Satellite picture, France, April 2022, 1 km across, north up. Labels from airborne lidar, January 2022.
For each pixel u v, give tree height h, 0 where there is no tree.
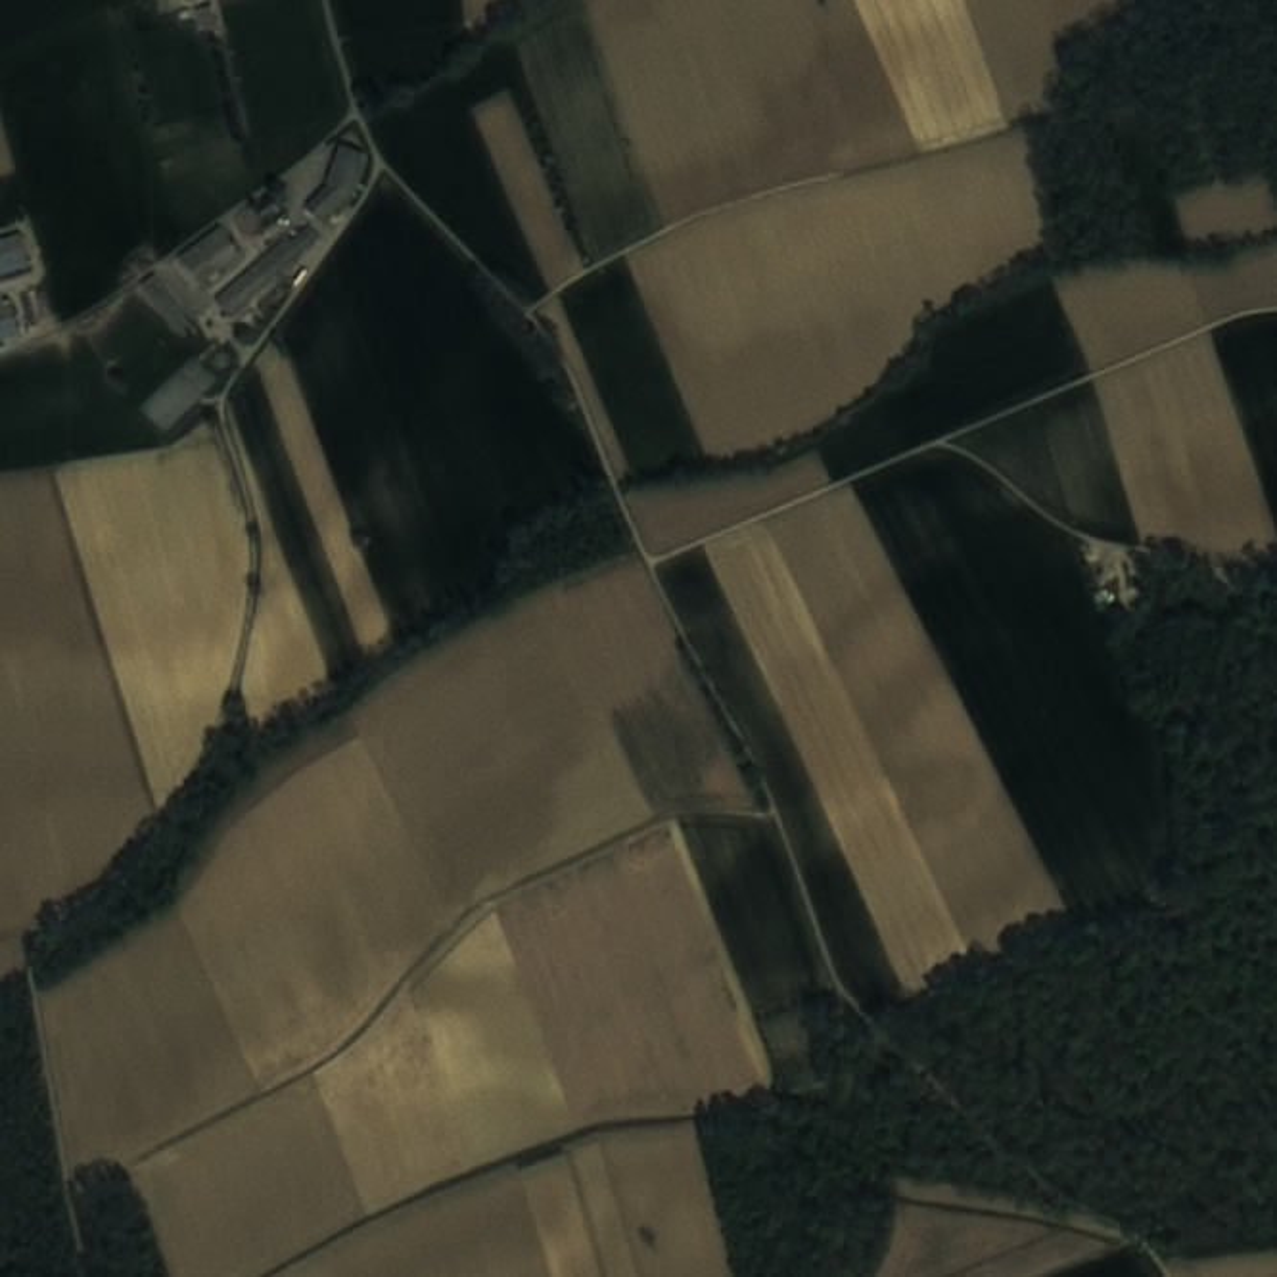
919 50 0
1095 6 0
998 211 0
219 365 0
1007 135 0
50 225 0
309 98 0
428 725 0
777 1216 25
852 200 0
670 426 0
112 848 0
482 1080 0
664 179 0
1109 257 20
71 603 0
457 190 0
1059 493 0
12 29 0
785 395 0
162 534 0
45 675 0
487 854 0
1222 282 0
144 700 0
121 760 0
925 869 0
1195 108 25
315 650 0
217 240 0
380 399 0
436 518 0
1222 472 0
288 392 0
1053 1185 24
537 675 0
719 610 0
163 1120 0
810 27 0
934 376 0
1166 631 14
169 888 30
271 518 0
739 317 0
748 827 0
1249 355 0
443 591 0
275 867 0
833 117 0
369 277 0
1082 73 26
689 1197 0
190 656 0
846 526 0
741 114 0
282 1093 0
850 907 0
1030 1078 31
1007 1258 0
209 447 0
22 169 0
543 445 0
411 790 0
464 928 0
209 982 0
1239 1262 0
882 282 0
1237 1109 31
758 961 0
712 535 0
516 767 0
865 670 0
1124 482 0
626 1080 0
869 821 0
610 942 0
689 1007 0
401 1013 0
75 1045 0
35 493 0
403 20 0
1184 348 0
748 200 0
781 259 0
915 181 0
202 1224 0
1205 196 0
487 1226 0
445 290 0
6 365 0
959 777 0
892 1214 25
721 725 9
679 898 0
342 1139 0
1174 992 33
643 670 0
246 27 0
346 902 0
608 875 0
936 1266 0
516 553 22
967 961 0
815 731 0
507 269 18
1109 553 0
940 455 0
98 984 0
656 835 0
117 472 0
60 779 0
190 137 0
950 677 0
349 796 0
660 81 0
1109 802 0
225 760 22
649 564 0
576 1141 0
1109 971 30
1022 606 0
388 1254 0
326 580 0
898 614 0
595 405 0
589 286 0
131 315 0
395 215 0
